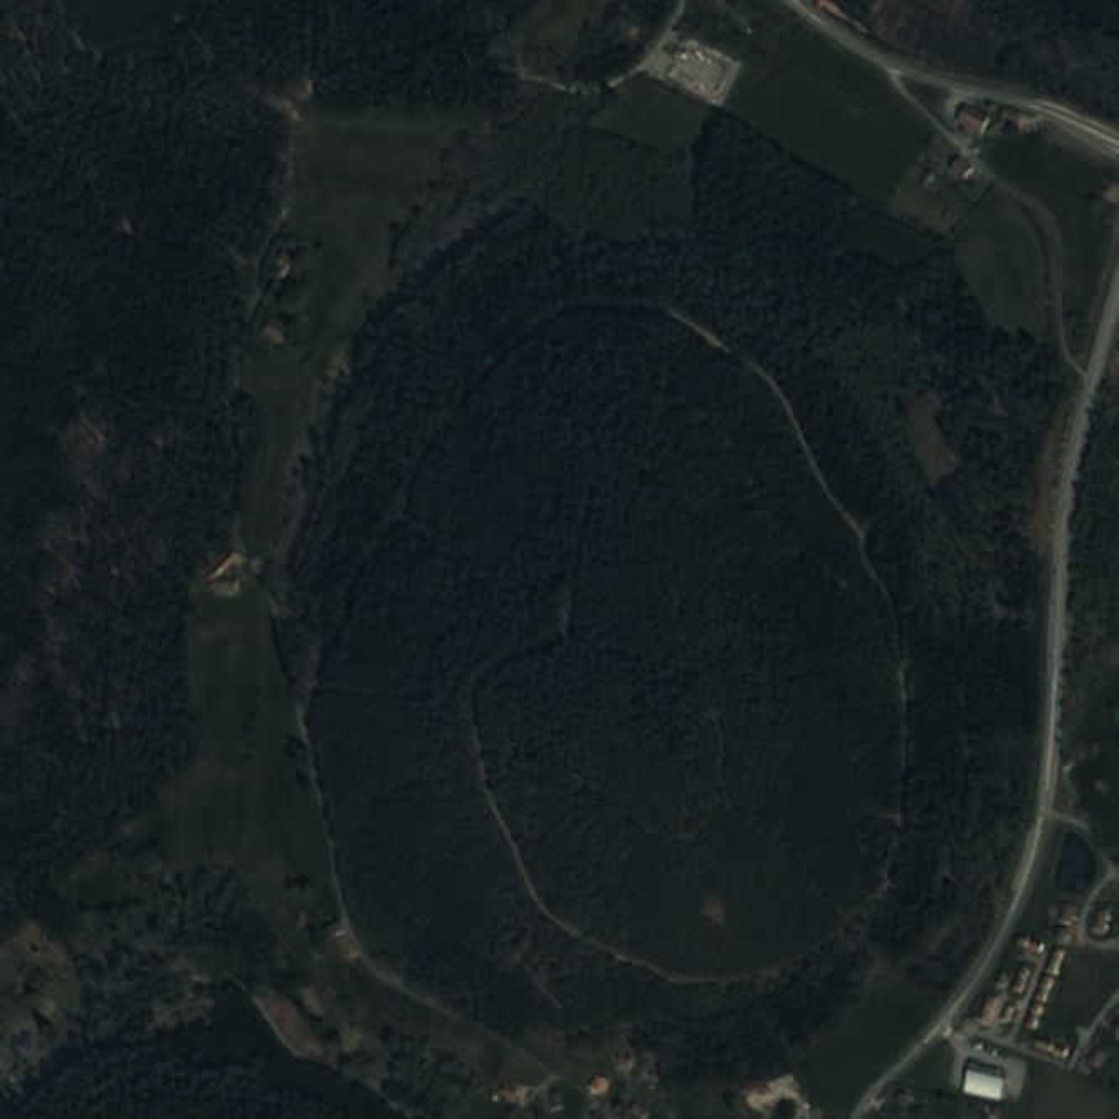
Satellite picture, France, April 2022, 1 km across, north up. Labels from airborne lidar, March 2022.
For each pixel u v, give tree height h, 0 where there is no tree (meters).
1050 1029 0
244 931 21
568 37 0
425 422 24
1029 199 0
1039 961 0
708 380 12
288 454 0
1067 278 0
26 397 19
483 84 26
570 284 19
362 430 22
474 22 27
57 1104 31
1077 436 0
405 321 21
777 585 19
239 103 21
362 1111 14
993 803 20
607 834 16
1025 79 18
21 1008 0
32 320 17
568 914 14
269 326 0
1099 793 0
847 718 18
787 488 13
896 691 15
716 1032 24
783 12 0
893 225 13
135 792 26
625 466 20
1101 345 0
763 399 15
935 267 22
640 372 24
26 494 20
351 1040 0
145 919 8
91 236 17
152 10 20
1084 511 14
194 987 17
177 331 28
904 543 24
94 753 16
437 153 0
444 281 25
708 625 20
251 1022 15
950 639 25
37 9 22
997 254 0
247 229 17
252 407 27
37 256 9
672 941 11
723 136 25
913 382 26
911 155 0
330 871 0
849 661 23
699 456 14
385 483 20
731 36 8
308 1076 15
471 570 19
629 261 26
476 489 17
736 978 11
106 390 24
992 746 25
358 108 22
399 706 10
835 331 22
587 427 17
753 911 15
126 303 20
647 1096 0
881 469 23
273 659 0
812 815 16
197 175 19
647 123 0
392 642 16
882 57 0
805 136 0
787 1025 14
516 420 14
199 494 28
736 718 22
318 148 0
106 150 28
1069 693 16
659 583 18
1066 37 22
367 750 12
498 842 8
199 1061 23
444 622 17
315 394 0
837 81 0
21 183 25
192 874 0
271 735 0
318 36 15
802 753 14
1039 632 12
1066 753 8
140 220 22
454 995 23
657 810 18
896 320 29
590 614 20
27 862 28
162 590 32
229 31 19
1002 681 24
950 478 0
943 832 23
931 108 0
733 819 18
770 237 29
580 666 24
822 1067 0
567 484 16
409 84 26
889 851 14
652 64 0
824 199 27
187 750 26
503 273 21
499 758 13
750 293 28
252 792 0
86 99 24
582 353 10
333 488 21
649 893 15
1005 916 0
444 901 15
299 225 0
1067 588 0
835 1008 13
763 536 23
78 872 19
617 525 19
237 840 0
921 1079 0
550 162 15
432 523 16
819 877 11
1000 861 17
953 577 34
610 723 23
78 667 20
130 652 26
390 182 0
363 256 0
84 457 21
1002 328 0
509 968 16
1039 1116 0
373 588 16
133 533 21
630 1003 16
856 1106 0
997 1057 0
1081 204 0
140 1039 15
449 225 14
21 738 19
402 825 12
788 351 29
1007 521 17
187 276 22
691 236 20
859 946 25
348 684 17
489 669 21
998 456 29
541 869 14
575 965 16
